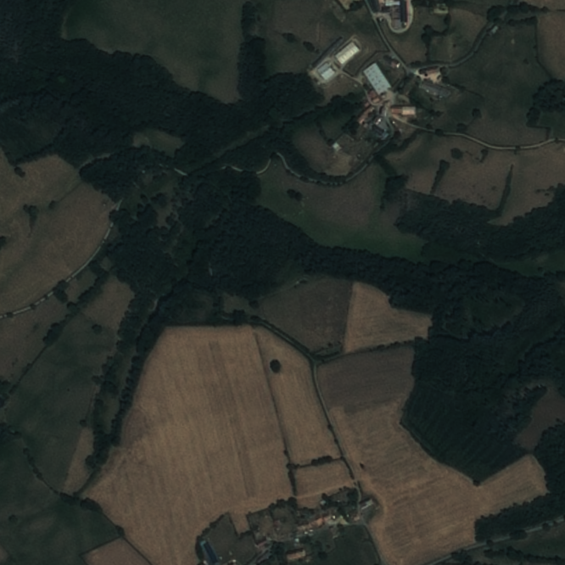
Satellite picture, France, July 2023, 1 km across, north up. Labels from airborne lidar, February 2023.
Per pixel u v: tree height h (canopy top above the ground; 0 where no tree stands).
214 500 0
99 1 0
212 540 0
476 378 21
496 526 9
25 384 0
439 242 10
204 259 8
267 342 0
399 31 0
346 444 0
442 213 7
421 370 13
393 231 0
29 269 0
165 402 0
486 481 0
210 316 0
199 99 21
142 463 0
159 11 0
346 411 0
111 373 17
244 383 0
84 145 10
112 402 0
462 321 14
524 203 0
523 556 15
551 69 0
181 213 11
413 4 9
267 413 0
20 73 12
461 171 0
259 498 0
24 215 0
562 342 14
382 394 0
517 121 0
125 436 0
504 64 0
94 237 0
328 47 0
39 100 19
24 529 0
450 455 0
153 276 17
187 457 0
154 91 18
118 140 10
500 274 15
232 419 0
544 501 14
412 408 0
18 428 0
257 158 9
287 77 12
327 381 0
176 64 0
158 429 0
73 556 0
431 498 0
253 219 16
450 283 6
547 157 0
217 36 0
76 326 0
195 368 0
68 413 0
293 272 0
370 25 0
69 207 0
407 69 0
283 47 0
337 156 0
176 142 0
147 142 0
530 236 16
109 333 0
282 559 19
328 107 7
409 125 0
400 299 19
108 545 0
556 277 7
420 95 0
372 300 0
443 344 19
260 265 15
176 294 18
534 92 0
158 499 0
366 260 18
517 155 0
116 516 0
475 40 0
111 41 0
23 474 0
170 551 0
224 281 14
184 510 0
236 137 9
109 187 16
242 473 0
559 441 8
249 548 0
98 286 9
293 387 0
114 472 0
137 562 0
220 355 0
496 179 0
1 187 0
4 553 0
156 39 0
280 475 0
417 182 0
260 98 22
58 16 17
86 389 0
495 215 7
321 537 0
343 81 0
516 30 0
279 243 13
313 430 0
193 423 0
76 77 13
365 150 0
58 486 0
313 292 0
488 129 0
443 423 0
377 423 0
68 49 18
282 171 0
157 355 0
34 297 0
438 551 0
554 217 14
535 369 17
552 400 0
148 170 13
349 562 0
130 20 0
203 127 17
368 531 0
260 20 0
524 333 12
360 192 0
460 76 0
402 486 0
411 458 0
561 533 0
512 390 16
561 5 0
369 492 0
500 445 0
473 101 0
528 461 0
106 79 15
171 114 9
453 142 0
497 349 17
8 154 11
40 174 0
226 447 0
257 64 19
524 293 16
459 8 0
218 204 13
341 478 0
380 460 0
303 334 0
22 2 10
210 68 0
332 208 0
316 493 0
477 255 8
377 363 0
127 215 18
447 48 0
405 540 0
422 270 18
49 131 0
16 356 0
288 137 13
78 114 21
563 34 0
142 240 19
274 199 0
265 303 0
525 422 23
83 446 0
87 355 0
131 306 12
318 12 0
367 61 0
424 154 0
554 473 18
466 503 0
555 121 0
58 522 0
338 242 0
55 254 0
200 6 0
